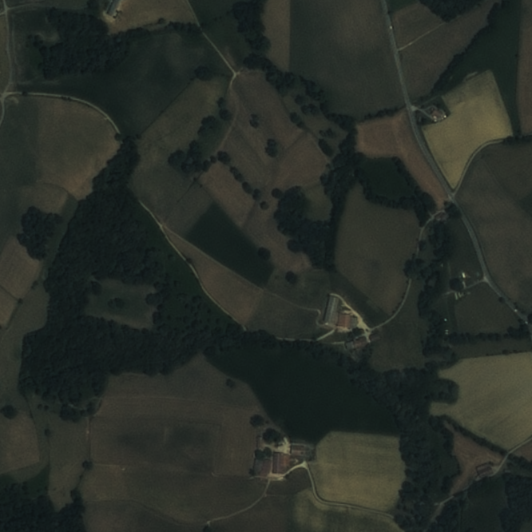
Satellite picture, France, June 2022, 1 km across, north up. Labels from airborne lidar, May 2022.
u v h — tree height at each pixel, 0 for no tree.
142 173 0
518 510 19
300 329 0
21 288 0
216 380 0
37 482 0
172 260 11
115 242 14
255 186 0
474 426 0
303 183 0
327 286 0
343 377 0
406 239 0
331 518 0
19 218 0
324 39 0
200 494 0
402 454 13
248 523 0
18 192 0
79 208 9
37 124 0
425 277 24
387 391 28
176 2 0
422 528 24
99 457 0
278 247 0
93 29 19
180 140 0
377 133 0
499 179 0
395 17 0
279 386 0
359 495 0
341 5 0
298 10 0
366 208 0
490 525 0
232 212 0
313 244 21
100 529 0
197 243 0
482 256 0
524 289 0
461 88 0
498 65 0
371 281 0
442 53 0
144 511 0
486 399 0
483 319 0
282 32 0
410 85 0
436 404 0
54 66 11
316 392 0
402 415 22
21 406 0
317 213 0
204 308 13
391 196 0
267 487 0
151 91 0
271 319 0
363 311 0
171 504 0
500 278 0
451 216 12
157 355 14
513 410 0
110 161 12
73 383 15
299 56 0
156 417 0
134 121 0
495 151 0
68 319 19
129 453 0
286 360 0
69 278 21
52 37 0
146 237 15
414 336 0
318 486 0
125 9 0
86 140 0
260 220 0
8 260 0
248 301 0
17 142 0
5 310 0
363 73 0
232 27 0
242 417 0
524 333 14
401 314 0
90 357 23
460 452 0
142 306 0
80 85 0
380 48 0
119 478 0
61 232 0
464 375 0
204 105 0
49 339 17
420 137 0
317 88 27
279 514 0
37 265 0
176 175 0
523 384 0
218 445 0
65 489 0
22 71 0
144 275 17
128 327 14
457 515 15
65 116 0
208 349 19
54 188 0
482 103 0
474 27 0
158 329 13
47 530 16
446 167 0
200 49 0
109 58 21
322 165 0
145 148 0
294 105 0
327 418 0
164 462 0
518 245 0
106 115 0
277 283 0
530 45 0
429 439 21
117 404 0
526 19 0
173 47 0
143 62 0
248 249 0
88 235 19
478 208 0
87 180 0
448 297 0
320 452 0
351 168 16
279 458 0
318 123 0
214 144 0
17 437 0
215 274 0
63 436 0
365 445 0
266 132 0
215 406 0
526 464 21
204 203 0
